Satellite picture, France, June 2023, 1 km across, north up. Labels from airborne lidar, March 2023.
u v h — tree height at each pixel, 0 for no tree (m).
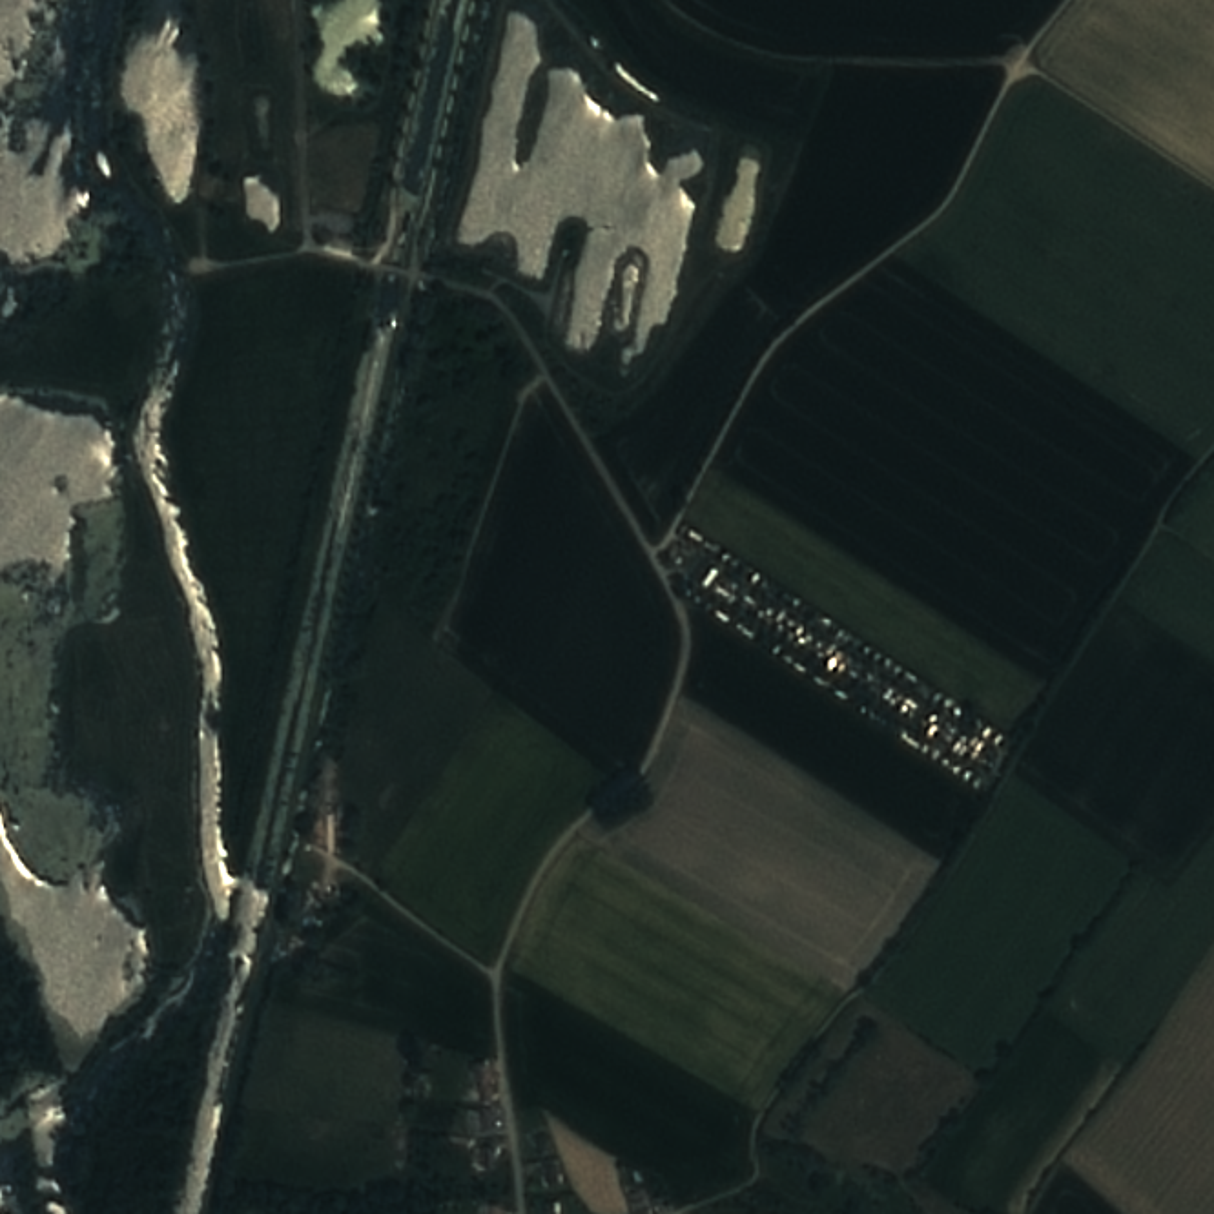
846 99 0
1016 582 0
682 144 0
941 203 0
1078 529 0
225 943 11
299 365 0
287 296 0
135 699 0
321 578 0
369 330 7
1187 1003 0
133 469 0
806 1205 0
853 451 0
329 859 0
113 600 0
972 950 0
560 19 0
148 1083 13
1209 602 0
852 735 0
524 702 0
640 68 0
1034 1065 0
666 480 0
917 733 7
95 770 0
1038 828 0
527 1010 0
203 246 0
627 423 0
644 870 0
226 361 0
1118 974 0
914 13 0
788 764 0
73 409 0
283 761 0
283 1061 0
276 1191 11
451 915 0
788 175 0
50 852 0
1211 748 0
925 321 0
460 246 0
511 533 0
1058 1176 0
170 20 0
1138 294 0
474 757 0
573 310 0
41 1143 0
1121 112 0
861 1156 0
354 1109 0
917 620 0
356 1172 0
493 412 0
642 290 0
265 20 0
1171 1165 0
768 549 0
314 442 0
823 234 0
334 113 0
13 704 0
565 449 0
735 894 0
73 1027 0
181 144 0
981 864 0
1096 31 0
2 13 0
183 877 0
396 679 0
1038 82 0
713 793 0
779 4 0
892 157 0
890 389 0
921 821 0
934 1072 0
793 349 0
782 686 0
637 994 0
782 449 0
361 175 0
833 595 0
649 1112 0
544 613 0
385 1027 0
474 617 0
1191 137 0
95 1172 11
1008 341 0
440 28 0
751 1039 0
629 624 0
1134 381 0
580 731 0
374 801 0
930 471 0
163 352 0
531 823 0
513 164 0
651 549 0
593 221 0
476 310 12
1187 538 0
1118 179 0
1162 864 0
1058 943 0
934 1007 0
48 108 0
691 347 0
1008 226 0
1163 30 0
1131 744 0
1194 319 0
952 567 0
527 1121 0
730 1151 0
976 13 0
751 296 0
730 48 0
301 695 0
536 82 0
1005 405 0
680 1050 0
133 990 0
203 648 0
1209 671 0
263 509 0
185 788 0
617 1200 0
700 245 0
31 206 0
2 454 0
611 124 0
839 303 0
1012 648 0
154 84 0
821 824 0
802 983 0
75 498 0
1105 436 0
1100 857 0
